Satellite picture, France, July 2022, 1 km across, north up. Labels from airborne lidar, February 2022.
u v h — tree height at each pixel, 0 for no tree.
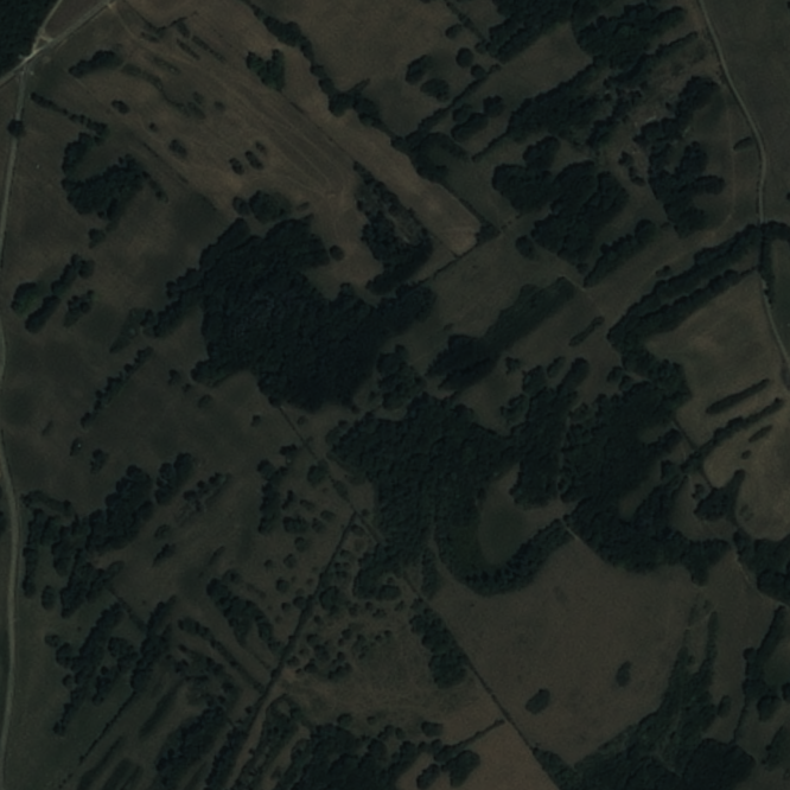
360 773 17
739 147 6
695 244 0
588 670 0
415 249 12
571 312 0
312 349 26
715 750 13
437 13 0
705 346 0
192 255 0
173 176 0
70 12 0
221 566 0
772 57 0
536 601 0
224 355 22
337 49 0
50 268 0
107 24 0
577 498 11
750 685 11
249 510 0
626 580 0
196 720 0
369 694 0
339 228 0
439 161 0
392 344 0
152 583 0
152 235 0
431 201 0
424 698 0
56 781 0
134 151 0
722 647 0
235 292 26
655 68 9
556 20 15
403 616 0
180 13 0
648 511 7
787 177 0
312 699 0
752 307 0
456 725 0
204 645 0
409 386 9
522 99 0
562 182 14
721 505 13
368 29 0
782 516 0
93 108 0
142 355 10
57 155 0
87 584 9
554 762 9
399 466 13
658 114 0
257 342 26
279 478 17
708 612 0
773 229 15
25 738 0
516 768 0
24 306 18
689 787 13
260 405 0
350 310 17
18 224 0
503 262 0
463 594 0
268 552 0
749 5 0
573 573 0
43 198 0
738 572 0
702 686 11
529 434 12
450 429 19
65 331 0
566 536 6
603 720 0
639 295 0
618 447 15
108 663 0
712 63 0
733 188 0
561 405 13
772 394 0
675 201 18
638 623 0
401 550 10
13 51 16
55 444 0
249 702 0
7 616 0
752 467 0
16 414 0
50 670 0
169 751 0
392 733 10
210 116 0
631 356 14
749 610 0
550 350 0
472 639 0
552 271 0
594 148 18
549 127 14
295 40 14
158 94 0
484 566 0
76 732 0
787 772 0
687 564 8
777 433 0
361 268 0
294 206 0
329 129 0
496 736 0
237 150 0
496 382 0
